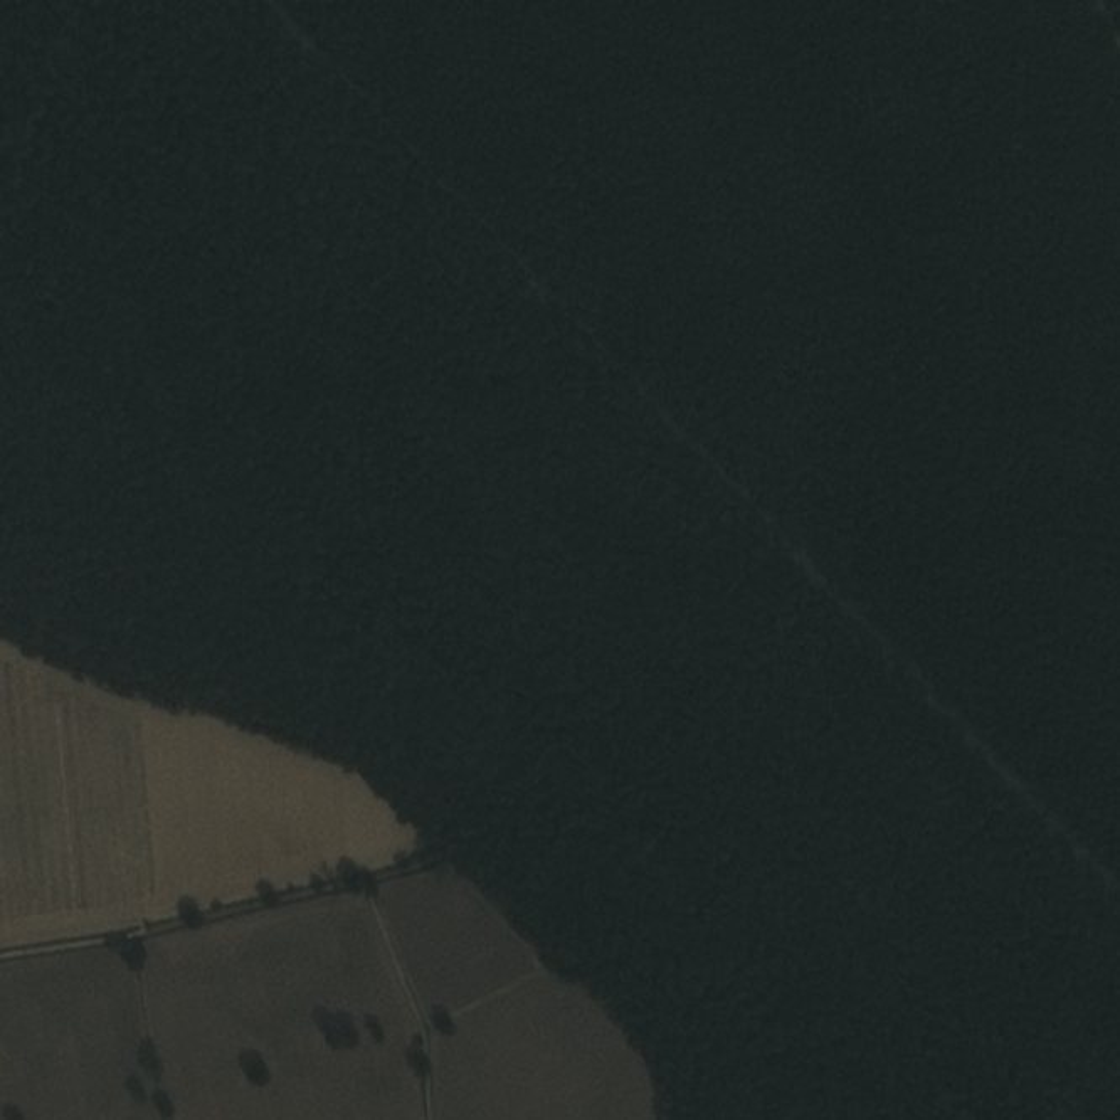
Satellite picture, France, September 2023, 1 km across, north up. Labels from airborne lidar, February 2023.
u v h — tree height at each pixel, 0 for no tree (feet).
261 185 76
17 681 0
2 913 0
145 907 0
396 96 68
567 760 99
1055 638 79
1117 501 79
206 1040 0
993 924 94
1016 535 73
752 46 74
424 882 0
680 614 88
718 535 92
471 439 94
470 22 73
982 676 81
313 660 92
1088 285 86
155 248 93
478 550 107
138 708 0
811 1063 94
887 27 73
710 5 71
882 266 86
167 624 98
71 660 55
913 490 79
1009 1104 98
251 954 0
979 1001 102
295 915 0
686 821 104
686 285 78
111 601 91
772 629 97
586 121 67
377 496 105
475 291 91
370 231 93
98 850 0
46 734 0
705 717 110
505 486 88
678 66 70
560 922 88
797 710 96
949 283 88
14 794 0
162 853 0
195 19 60
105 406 107
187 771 0
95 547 94
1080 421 75
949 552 83
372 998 0
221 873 0
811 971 97
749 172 59
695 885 112
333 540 99
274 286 87
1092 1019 87
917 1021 94
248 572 116
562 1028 0
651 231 66
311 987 0
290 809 0
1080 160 74
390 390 85
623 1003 86
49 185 98
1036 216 87
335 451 99
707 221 65
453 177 70
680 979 100
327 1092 0
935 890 108
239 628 106
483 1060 0
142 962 34
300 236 82
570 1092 0
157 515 103
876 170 77
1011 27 75
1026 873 96
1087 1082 94
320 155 96
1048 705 85
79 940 0
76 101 110
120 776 0
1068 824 80
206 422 93
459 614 105
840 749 99
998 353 89
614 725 106
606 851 102
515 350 86
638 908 95
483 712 98
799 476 77
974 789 91
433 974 0
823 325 82
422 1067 46
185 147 92
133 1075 0
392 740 91
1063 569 84
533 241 63
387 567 116
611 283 73
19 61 114
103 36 99
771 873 104
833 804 96
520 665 108
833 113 74
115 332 113
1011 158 77
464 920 0
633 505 95
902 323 84
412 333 84
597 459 92
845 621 87
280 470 109
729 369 84
